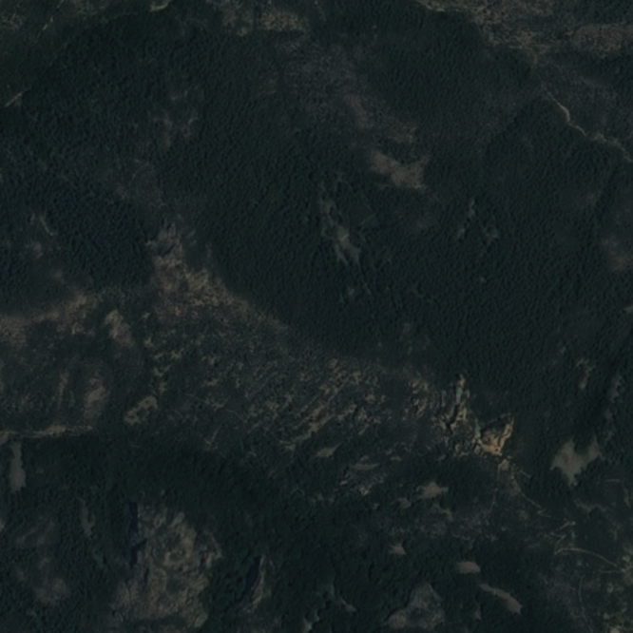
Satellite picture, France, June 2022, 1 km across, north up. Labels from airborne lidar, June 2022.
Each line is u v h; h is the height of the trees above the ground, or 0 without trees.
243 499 9
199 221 9
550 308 12
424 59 9
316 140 9
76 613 12
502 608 14
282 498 11
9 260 12
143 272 9
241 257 12
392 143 8
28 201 14
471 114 10
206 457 12
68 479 13
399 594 16
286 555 8
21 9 9
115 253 13
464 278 14
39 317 0
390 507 7
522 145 9
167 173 10
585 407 9
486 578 12
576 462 0
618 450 7
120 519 8
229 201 12
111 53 9
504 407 6
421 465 8
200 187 10
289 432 6
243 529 7
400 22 7
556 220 11
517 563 12
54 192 12
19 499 9
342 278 11
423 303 12
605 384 7
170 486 8
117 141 11
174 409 6
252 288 10
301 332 9
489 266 14
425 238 12
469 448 6
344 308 13
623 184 8
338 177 15
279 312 8
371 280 7
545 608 11
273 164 15
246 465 5
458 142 11
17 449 0
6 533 9
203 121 8
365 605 16
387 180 9
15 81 9
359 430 8
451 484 7
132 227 12
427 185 7
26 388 9
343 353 6
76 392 6
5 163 7
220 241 14
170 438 6
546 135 12
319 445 7
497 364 11
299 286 15
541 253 14
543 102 11
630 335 6
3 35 7
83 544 13
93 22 13
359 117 0
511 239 12
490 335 15
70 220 15
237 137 15
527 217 8
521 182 9
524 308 11
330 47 9
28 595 9
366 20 10
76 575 12
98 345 8
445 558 14
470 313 17
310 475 9
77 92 8
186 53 14
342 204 10
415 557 14
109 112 12
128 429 11
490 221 12
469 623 7
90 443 9
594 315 12
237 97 15
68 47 8
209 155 15
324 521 18
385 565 16
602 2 10
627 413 9
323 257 12
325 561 15
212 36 12
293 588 22
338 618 16
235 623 7
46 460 6
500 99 7
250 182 14
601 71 10
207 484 9
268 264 13
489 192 10
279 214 14
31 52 11
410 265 12
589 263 14
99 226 13
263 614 8
